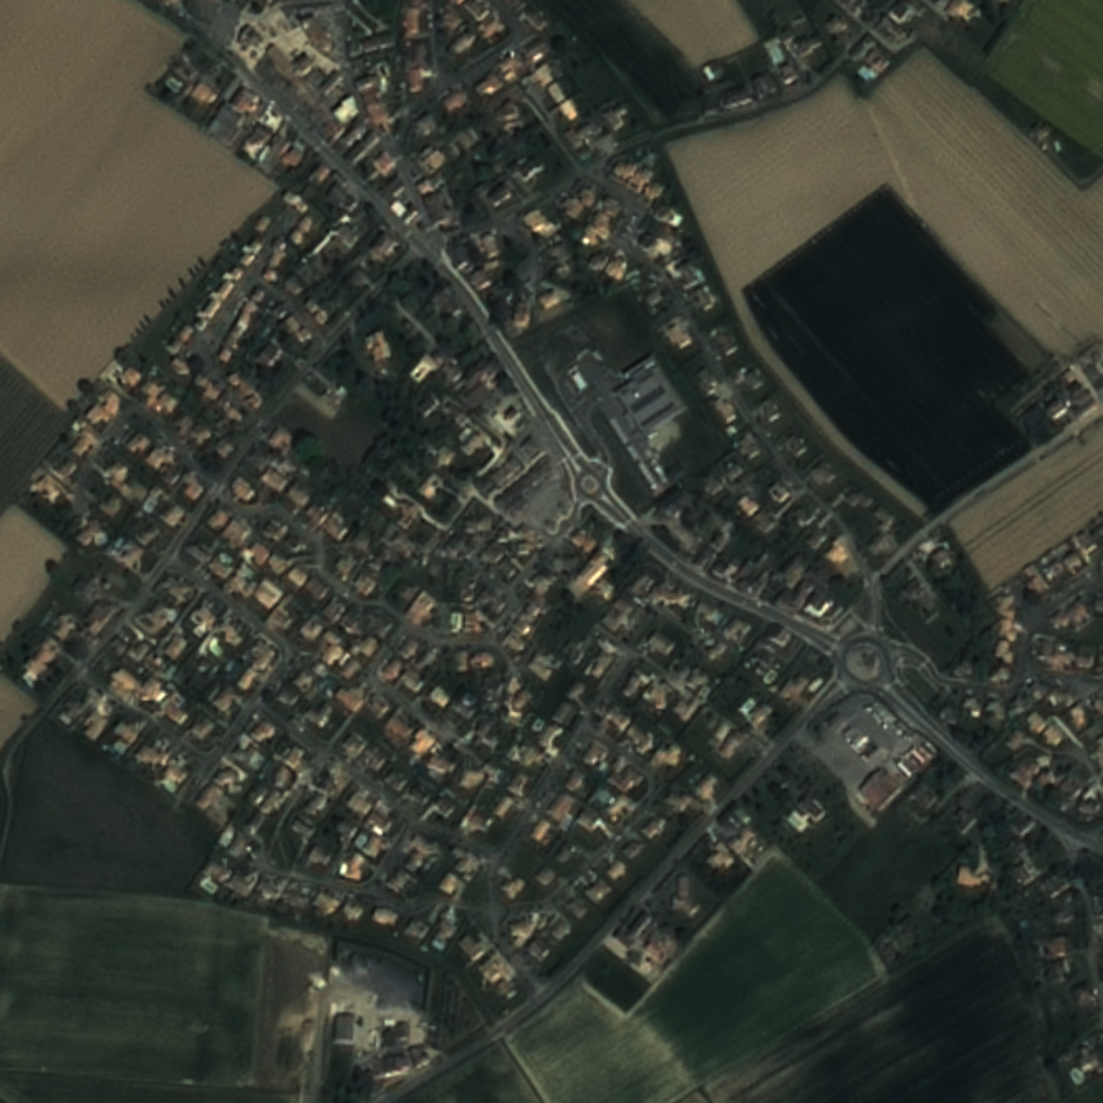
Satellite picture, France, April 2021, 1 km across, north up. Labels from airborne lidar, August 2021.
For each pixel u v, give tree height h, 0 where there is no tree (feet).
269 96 0
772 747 0
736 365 0
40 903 0
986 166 0
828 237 0
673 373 0
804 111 0
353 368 39
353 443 0
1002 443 0
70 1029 0
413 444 23
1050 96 0
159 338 0
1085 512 0
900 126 0
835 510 17
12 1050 0
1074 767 22
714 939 0
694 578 0
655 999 0
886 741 0
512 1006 0
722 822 22
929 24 0
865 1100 0
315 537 0
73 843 0
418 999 0
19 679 19
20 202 0
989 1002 0
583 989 0
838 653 0
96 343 0
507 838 0
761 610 0
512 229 0
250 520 0
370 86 0
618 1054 0
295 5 0
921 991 0
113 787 0
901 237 0
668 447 0
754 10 0
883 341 0
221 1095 0
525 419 0
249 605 0
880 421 0
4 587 0
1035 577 0
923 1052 0
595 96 0
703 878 18
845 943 0
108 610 0
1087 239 0
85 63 0
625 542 30
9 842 0
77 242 0
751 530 28
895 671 0
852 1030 0
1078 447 0
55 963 0
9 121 0
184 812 0
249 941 0
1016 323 0
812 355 0
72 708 0
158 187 0
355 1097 23
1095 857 33
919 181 0
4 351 0
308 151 17
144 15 0
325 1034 0
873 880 0
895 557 0
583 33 0
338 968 0
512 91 0
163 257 0
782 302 0
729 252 0
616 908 0
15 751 0
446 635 0
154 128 0
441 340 28
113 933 0
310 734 0
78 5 0
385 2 65
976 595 38
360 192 0
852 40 0
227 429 31
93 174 0
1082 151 0
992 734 33
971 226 0
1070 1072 0
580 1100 0
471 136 0
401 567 32
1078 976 33
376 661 0
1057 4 0
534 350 0
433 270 26
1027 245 0
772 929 0
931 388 0
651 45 0
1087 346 0
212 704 20
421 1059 0
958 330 0
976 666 37
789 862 0
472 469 19
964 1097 0
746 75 0
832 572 24
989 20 28
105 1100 0
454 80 0
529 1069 0
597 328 0
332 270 30
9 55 0
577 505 0
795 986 0
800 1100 0
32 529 0
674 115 0
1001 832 54
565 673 0
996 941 0
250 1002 0
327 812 24
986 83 0
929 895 0
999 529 0
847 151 0
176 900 0
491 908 0
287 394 0
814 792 22
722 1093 0
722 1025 0
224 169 0
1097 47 0
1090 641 0
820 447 0
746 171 0
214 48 39
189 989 0
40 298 0
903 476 0
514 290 34
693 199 0
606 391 0
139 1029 0
